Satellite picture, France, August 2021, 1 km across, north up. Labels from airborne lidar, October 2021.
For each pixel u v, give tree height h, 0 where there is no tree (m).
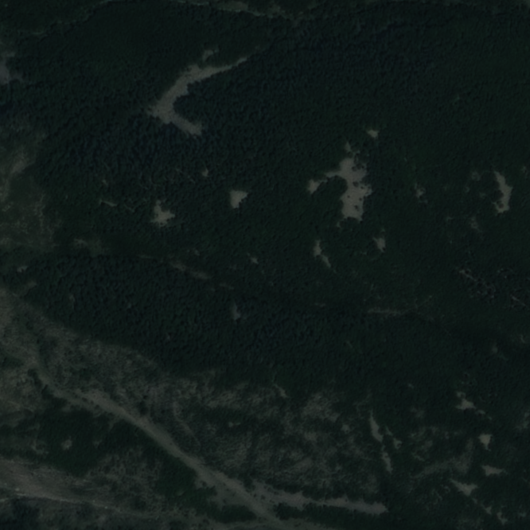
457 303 11
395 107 19
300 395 10
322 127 24
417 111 19
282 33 20
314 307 9
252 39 14
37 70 17
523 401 6
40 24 9
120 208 17
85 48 13
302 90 20
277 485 9
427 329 18
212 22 10
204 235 25
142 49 16
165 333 13
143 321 15
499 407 13
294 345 14
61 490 0
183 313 20
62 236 8
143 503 8
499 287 23
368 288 8
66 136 17
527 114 18
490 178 16
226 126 19
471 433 11
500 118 20
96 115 15
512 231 12
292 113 17
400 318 13
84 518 7
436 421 10
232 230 17
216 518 8
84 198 13
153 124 13
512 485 13
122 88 21
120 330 12
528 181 11
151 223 9
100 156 14
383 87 17
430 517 11
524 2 10
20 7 14
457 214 8
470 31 19
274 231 19
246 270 15
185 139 16
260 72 16
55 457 8
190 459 0
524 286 24
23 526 10
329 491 10
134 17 12
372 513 8
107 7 10
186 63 12
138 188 11
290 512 10
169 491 11
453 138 19
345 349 20
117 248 6
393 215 16
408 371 13
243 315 22
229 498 0
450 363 17
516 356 13
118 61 15
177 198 23
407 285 7
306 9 13
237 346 20
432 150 18
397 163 20
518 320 13
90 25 12
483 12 16
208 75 0
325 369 16
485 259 6
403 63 22
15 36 9
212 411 8
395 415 11
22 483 0
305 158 15
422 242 17
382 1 9
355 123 17
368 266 12
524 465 14
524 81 7
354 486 11
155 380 6
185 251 11
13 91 14
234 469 6
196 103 17
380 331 21
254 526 0
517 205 11
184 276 14
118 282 19
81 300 15
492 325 9
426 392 12
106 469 6
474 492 7
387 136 17
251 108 22
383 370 17
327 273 10
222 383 11
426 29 16
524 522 10
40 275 14
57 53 8
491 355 9
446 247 14
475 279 19
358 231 17
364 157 14
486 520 11
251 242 12
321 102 23
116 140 12
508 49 17
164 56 14
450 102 19
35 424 8
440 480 9
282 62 22
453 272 23
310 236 13
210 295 14
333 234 15
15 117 12
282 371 18
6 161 0
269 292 13
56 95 21
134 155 13
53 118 20
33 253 6
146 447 11
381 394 7
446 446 8
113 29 13
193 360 21
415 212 15
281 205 13
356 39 23
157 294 13
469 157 15
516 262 13
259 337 29
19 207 0
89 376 9
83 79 20
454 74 12
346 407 7
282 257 16
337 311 12
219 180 26
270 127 17
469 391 14
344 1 17
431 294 9
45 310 7
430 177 11
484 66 14
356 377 14
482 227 7
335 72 19
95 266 26
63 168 19
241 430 6
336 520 10
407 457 10
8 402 0
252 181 23
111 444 12
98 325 17
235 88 22
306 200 21
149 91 24
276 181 19
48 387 10
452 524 10
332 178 10
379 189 12
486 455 13
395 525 14
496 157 17
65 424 9
